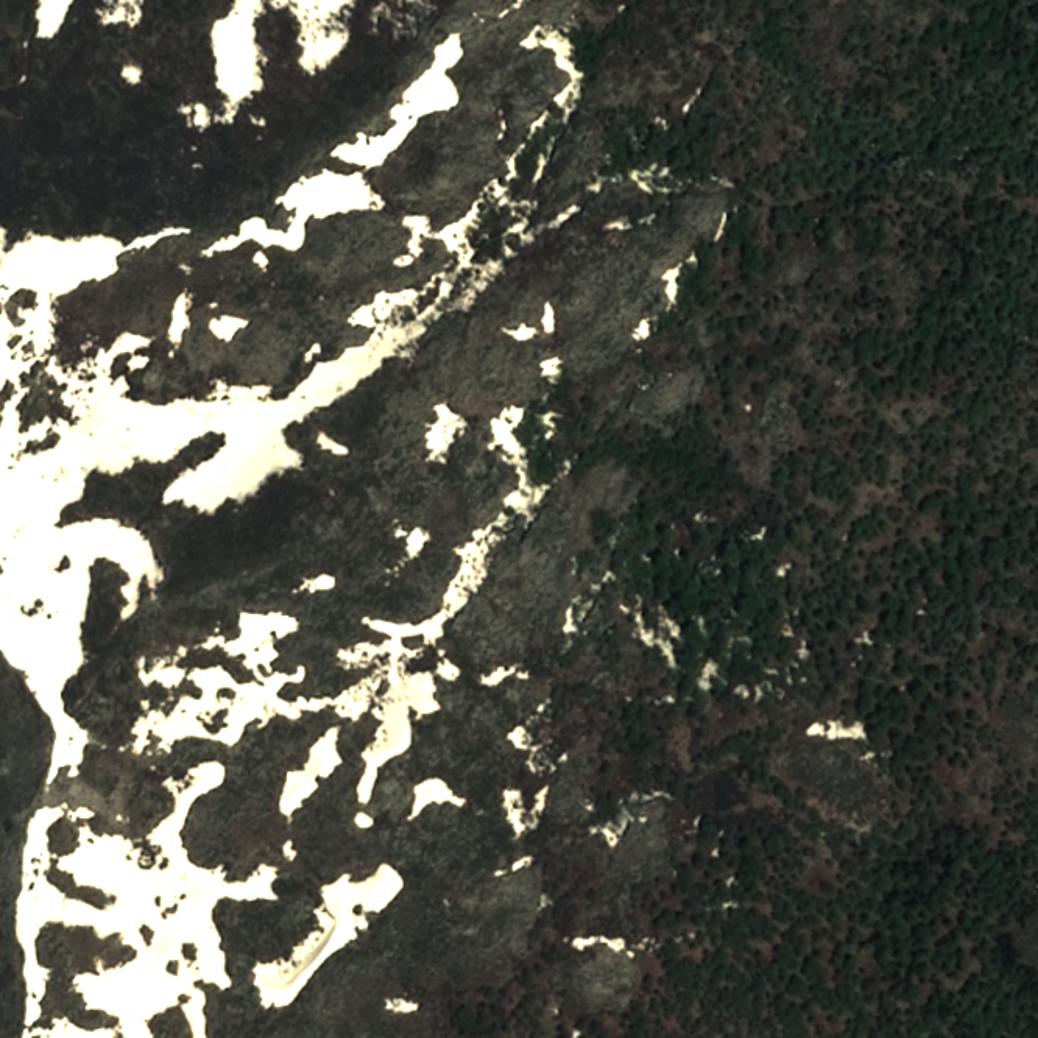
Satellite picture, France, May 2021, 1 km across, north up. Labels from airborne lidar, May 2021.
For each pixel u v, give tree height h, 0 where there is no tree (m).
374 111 0
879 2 0
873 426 14
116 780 0
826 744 0
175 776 0
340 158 0
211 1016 0
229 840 0
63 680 0
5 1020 0
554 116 9
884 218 12
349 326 0
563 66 0
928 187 7
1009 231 18
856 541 12
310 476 0
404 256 0
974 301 17
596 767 10
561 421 12
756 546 17
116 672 0
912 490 14
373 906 0
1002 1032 23
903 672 22
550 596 0
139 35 0
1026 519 16
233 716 0
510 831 0
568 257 0
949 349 18
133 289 0
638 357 9
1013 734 0
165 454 0
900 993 17
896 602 15
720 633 20
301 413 0
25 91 0
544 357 0
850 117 18
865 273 12
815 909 16
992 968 15
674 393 0
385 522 0
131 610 0
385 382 0
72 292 0
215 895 0
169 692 0
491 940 0
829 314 10
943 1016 8
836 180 11
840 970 16
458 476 0
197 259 0
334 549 0
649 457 14
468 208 0
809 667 10
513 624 0
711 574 15
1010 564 14
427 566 0
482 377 0
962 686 11
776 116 10
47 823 0
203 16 0
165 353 0
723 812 0
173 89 0
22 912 0
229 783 0
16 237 0
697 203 0
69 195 0
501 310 0
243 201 0
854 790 0
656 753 9
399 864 0
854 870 15
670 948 13
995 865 13
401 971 0
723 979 14
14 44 0
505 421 0
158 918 0
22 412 0
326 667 0
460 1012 12
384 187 0
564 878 10
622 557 12
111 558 0
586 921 0
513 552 0
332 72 0
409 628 0
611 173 12
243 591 0
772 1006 12
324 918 0
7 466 0
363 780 0
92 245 0
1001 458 11
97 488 0
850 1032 12
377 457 0
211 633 0
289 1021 0
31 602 0
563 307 0
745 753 13
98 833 0
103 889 0
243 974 0
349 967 0
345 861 0
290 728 0
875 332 10
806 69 11
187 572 0
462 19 0
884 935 22
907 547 12
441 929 0
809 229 11
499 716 0
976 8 16
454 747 0
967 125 14
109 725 0
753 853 13
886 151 7
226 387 0
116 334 0
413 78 0
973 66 19
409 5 10
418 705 0
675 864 16
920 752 16
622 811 11
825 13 0
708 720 13
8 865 0
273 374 0
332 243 0
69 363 0
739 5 15
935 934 21
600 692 10
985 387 8
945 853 19
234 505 0
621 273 0
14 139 0
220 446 0
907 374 16
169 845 0
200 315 0
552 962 13
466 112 0
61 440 0
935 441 19
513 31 0
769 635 14
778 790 12
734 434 0
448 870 0
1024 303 11
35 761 0
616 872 0
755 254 16
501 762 0
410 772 0
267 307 0
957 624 11
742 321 15
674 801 11
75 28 0
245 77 0
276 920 0
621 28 11
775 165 11
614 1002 0
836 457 14
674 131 15
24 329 0
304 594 0
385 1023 0
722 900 16
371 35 0
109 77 0
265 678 0
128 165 0
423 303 8
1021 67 18
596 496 0
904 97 15
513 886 0
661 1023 10
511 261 15
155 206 0
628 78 0
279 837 0
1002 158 17
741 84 12
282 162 0
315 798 0
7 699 0
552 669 9
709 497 13
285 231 0
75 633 0
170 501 0
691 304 11
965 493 20
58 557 0
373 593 0
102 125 0
